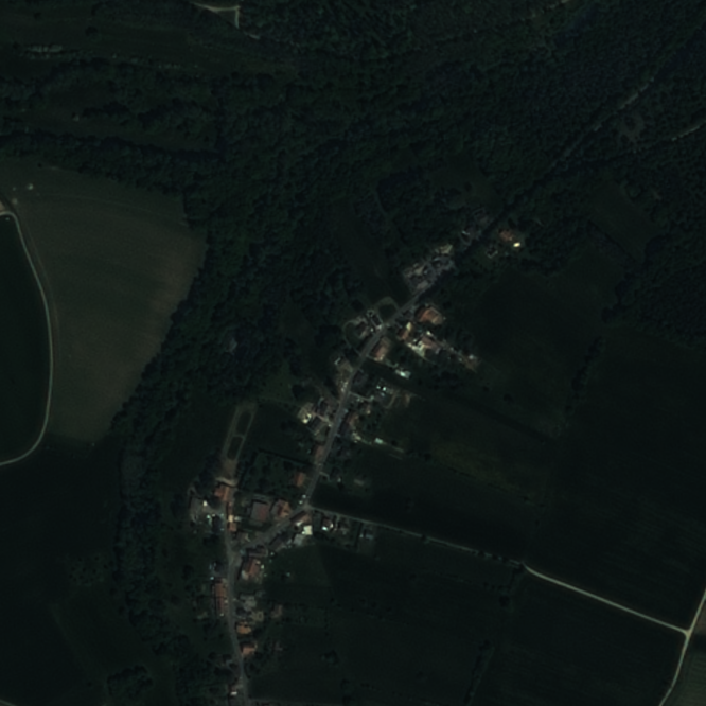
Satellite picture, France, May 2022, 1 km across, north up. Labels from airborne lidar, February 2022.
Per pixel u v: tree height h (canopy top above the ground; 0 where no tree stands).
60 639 0
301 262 19
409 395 0
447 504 0
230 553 0
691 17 19
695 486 0
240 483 8
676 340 14
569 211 21
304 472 9
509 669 0
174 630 19
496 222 8
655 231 0
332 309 20
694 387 0
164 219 0
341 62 23
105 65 21
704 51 19
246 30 15
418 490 0
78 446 0
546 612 0
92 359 0
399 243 0
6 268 0
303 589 0
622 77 9
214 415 0
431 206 19
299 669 0
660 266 15
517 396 0
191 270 0
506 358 0
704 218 11
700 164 9
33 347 0
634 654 0
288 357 21
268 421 0
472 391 0
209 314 19
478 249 15
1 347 0
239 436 0
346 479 0
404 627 0
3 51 0
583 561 0
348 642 0
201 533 0
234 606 0
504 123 21
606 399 0
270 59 14
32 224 0
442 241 18
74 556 0
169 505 0
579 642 0
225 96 22
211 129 0
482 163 21
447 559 0
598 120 13
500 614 0
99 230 0
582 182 25
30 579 0
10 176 0
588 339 0
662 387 0
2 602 0
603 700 0
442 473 0
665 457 0
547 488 0
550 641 0
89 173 11
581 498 0
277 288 21
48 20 0
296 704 0
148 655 0
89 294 0
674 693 0
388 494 0
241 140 17
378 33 30
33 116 0
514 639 0
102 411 0
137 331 0
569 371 0
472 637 0
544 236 21
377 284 0
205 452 0
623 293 21
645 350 0
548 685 0
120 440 0
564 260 20
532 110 23
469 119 21
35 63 0
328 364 0
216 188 29
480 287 8
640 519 0
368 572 0
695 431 0
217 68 0
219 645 0
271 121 24
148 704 0
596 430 0
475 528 0
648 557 0
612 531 0
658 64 11
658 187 13
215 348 17
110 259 0
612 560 0
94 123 0
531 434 0
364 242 0
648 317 17
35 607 0
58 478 0
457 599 0
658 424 0
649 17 16
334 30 27
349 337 0
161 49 0
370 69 22
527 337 0
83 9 0
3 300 0
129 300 0
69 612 0
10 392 0
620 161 13
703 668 0
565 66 19
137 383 0
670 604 0
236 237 30
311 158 15
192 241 0
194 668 21
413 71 22
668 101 6
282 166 24
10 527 0
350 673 0
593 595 0
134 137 0
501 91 16
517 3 26
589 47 16
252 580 0
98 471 0
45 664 0
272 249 26
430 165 21
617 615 0
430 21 21
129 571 23
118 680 14
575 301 0
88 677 0
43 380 0
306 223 23
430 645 0
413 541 0
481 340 0
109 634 0
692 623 0
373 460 0
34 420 0
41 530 0
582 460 0
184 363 34
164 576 0
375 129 23
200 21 16
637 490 0
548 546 0
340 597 0
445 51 23
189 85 25
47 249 0
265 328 20
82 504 0
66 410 0
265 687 0
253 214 21
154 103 0
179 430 0
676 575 0
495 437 0
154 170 24
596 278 0
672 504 0
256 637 12
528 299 0
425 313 0
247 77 6
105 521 0
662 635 0
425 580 0
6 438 0
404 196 19
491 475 0
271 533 0
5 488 0
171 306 0
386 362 0
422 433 0
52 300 0
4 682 0
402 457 0
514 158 22
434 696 0
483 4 23
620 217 0
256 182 26
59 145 16
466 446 0
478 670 9
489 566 0
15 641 0
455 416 0
